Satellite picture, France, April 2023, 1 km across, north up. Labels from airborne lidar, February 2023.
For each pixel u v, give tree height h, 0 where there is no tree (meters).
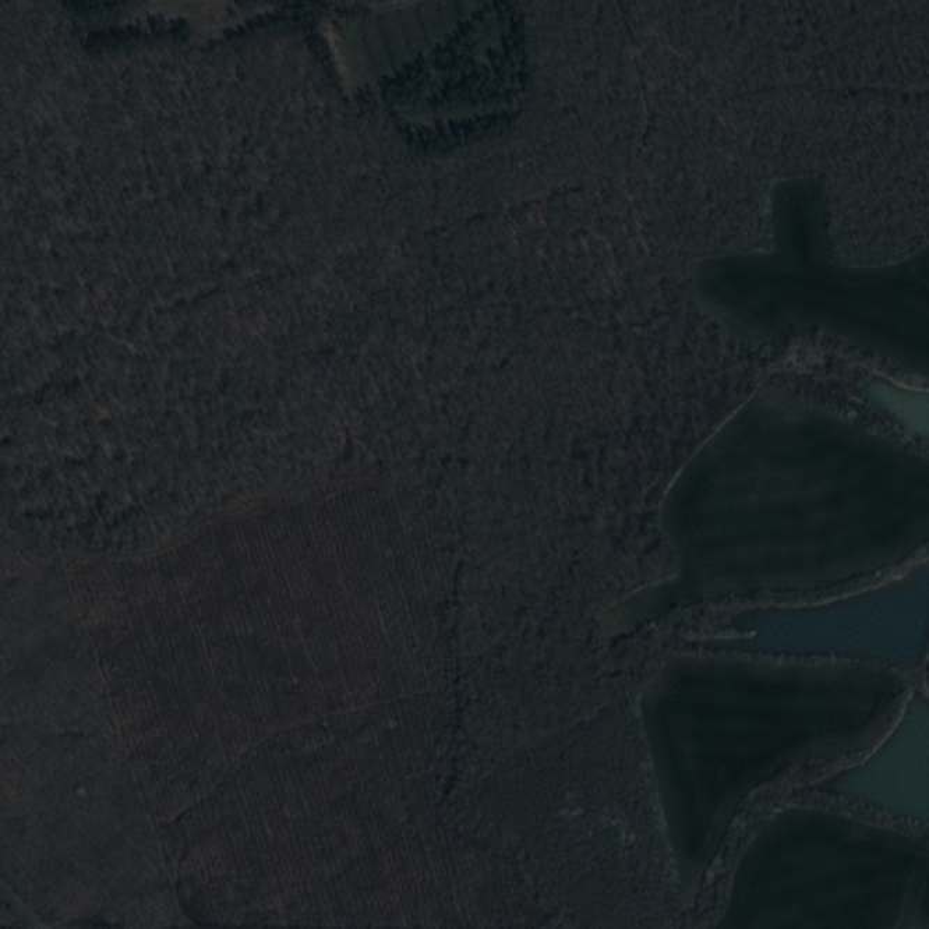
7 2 10
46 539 15
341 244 22
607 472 19
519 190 18
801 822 0
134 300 18
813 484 0
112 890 10
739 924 0
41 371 20
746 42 19
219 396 8
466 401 21
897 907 0
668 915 8
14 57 14
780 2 18
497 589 18
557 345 19
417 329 18
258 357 19
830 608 0
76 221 23
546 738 11
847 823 0
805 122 18
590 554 19
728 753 0
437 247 19
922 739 0
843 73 17
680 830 0
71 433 20
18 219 23
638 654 16
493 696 19
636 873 11
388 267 23
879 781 0
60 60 20
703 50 19
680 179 20
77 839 12
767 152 17
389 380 24
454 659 8
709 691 0
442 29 0
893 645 0
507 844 12
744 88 13
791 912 0
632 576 18
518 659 19
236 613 6
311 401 23
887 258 7
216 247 18
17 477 17
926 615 0
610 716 9
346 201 17
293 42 21
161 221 20
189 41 21
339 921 7
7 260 20
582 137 19
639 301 22
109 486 22
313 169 18
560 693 20
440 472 22
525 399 21
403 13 0
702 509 0
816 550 0
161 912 15
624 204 23
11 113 19
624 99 20
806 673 0
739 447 0
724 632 13
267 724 5
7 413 20
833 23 16
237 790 6
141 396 18
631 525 19
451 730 7
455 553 18
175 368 16
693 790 0
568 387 21
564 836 8
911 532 0
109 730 12
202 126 25
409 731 6
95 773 14
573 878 9
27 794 9
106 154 19
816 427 0
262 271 16
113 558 7
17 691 12
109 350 17
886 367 10
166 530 22
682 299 16
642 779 7
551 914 10
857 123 22
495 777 10
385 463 22
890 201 19
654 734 0
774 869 0
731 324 0
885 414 9
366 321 21
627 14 18
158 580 6
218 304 16
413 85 22
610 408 21
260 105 20
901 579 0
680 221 19
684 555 0
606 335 14
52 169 18
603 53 17
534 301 19
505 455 22
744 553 0
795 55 18
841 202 15
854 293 0
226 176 21
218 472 21
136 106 16
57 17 16
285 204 18
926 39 17
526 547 17
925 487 0
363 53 0
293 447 14
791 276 0
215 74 19
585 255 14
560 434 19
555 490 18
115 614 6
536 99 15
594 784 10
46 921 10
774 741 0
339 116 17
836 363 12
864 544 0
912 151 19
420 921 6
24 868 11
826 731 0
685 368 23
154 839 8
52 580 7
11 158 17
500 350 21
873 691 0
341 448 20
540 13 18
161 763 6
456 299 23
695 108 18
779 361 14
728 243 14
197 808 5
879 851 0
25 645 10
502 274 16
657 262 14
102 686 13
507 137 16
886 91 21
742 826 6
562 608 18
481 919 6
